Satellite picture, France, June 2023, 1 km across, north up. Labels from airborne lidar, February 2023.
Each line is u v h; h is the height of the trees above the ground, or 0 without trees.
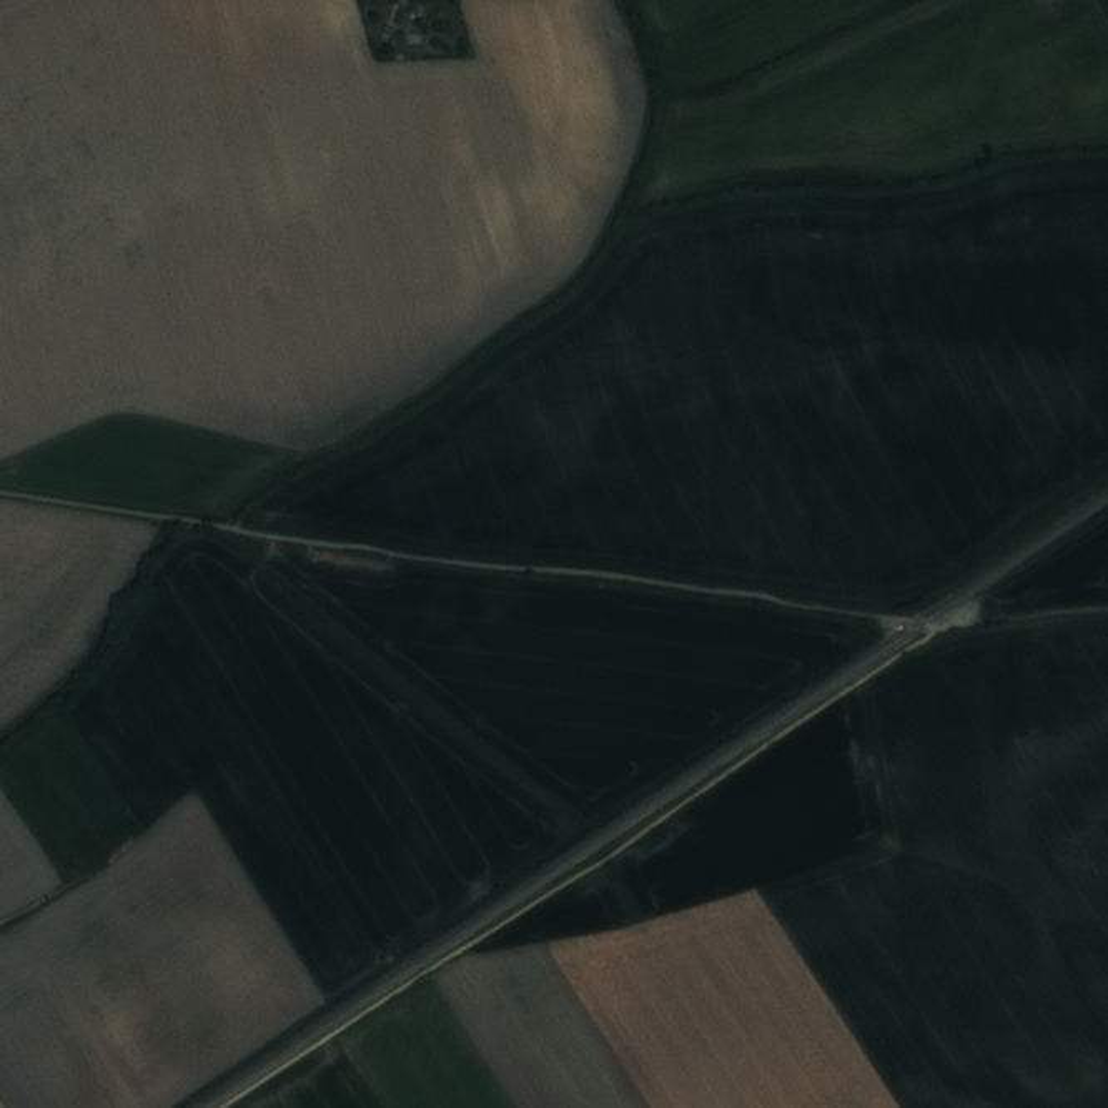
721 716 0
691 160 0
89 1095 0
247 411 0
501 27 0
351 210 0
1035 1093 0
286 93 0
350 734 0
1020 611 0
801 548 0
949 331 0
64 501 0
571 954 0
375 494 0
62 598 0
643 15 0
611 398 0
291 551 0
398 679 0
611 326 0
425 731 0
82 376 0
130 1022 0
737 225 0
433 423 0
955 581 0
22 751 0
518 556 0
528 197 0
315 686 0
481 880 0
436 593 0
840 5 0
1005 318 0
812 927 0
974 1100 0
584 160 0
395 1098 0
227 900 0
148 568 12
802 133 0
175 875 0
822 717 0
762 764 0
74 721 0
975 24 0
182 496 0
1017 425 0
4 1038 0
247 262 0
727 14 0
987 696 0
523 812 0
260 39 0
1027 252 0
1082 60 0
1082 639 0
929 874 0
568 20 0
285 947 0
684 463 0
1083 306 0
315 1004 0
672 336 0
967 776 0
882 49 0
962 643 0
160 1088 0
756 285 0
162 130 0
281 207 0
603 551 0
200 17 0
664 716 0
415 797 0
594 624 0
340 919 0
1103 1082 0
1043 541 0
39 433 0
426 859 0
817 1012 0
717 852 0
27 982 0
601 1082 0
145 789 0
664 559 0
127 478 0
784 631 0
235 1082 0
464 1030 0
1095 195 0
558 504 0
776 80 0
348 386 0
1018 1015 0
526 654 0
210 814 0
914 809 0
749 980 0
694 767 0
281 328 0
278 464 0
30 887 0
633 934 0
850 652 0
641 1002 0
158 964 0
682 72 0
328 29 0
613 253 0
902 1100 0
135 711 0
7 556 0
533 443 0
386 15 0
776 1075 0
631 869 0
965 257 0
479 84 0
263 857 0
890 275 0
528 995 0
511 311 0
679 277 0
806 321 0
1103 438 0
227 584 0
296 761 0
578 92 0
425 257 0
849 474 0
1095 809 0
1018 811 0
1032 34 0
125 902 0
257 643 0
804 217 0
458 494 0
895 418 0
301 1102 0
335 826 0
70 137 0
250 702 0
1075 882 0
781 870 0
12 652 0
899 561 0
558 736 0
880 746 0
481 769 0
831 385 0
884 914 0
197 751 0
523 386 0
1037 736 0
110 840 0
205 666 0
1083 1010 0
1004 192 0
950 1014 0
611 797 0
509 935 0
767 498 0
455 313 0
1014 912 0
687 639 0
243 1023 0
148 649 0
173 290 0
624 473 0
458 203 0
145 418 0
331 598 0
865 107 0
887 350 0
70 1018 0
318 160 0
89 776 0
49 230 0
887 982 0
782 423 0
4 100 0
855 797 0
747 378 0
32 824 0
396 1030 0
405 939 0
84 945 0
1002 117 0
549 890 0
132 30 0
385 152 0
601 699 0
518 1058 0
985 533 0
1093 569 0
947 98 0
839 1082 0
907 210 0
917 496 0
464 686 0
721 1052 0
